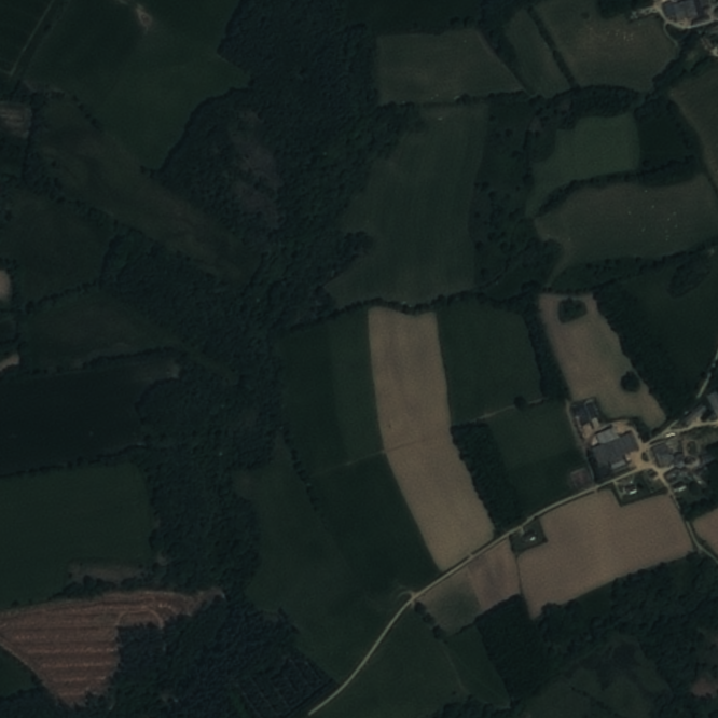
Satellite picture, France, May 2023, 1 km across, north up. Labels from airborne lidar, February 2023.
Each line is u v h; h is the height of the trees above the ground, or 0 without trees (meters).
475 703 10
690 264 8
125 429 0
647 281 0
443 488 0
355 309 12
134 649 15
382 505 0
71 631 26
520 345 0
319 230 13
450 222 0
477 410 0
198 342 15
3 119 0
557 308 0
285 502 0
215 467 9
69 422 0
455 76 0
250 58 19
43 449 0
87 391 0
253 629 23
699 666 11
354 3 0
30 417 0
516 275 0
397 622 0
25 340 11
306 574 0
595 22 0
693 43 12
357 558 0
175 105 0
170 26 0
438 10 0
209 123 16
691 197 0
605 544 0
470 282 0
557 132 0
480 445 21
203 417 14
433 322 0
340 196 8
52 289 0
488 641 18
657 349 16
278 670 6
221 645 22
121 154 0
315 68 14
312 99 14
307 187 10
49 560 0
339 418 0
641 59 0
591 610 0
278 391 12
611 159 0
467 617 0
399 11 0
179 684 8
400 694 0
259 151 0
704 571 10
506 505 16
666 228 0
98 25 0
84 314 0
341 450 0
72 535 0
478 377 0
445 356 0
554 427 0
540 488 0
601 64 0
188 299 19
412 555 0
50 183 10
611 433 0
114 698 13
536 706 0
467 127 0
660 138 0
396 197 0
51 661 22
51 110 0
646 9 0
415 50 0
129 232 16
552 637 16
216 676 26
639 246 0
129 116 0
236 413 10
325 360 0
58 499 0
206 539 8
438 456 0
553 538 0
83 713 15
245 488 0
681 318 0
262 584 0
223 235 0
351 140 12
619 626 9
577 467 0
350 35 16
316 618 0
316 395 0
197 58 0
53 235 0
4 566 0
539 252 13
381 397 0
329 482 0
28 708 17
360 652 0
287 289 14
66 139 0
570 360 0
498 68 0
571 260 0
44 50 0
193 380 17
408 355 0
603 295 15
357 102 16
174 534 14
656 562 0
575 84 6
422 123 8
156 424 15
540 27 6
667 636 13
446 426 0
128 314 0
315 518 0
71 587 7
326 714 0
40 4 0
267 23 16
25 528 0
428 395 0
